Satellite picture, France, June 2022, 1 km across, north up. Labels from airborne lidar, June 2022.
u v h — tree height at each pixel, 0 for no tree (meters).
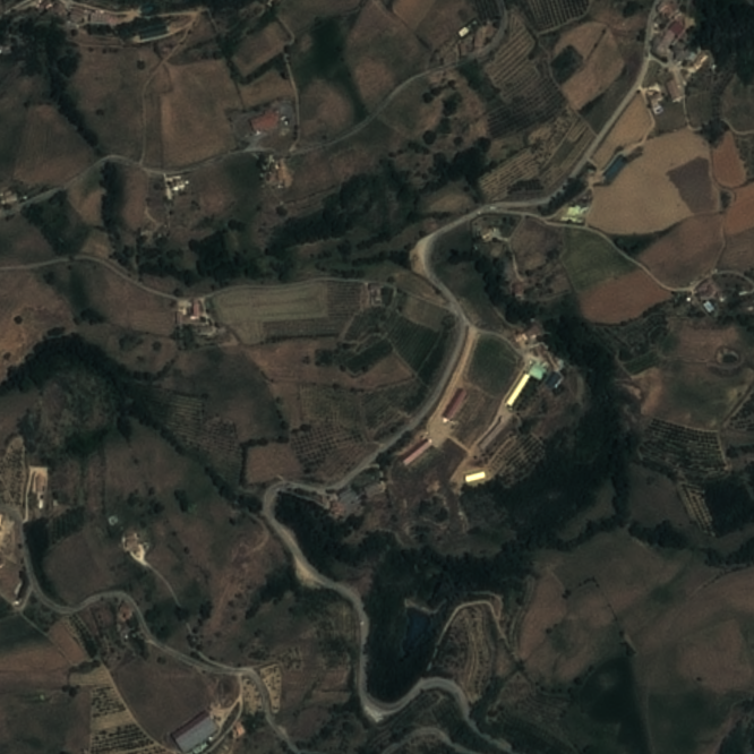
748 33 9
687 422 0
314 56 0
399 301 0
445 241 0
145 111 0
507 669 0
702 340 0
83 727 0
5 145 0
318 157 0
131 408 22
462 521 0
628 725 0
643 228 0
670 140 0
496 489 9
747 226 0
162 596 0
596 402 13
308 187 0
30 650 0
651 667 0
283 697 0
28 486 0
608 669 0
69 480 0
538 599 0
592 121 0
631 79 0
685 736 0
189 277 18
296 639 0
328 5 0
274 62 8
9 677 0
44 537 11
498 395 0
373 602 8
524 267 0
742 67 9
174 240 0
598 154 0
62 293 0
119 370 11
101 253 0
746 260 0
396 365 0
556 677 0
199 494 0
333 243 0
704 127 9
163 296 0
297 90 0
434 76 0
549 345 14
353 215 7
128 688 0
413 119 0
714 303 9
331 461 0
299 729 0
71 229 0
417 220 10
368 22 0
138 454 0
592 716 0
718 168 0
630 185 0
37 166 0
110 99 0
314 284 0
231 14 6
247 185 0
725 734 0
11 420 0
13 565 0
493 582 12
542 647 0
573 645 0
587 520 0
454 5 0
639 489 0
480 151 7
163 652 0
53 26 8
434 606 9
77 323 10
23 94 0
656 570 0
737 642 0
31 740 0
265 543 0
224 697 0
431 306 0
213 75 0
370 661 11
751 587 0
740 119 0
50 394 0
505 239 0
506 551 22
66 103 29
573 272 0
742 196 0
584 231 0
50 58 11
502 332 0
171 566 0
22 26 15
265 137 0
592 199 0
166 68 0
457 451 0
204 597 0
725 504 16
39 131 0
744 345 0
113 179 25
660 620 0
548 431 0
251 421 0
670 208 0
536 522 8
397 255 15
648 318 8
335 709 13
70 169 0
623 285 0
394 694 20
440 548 0
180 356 0
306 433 9
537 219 0
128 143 0
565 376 9
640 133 0
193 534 0
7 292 0
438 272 0
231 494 21
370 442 0
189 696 0
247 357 0
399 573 9
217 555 0
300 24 0
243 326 0
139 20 11
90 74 0
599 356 7
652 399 0
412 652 13
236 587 0
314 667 0
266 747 0
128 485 0
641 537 12
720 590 0
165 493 0
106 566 0
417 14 0
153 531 0
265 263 0
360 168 0
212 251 10
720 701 0
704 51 14
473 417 0
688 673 0
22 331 0
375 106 0
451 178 16
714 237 0
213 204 0
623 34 0
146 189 0
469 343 0
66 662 0
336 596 8
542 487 9
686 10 10
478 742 14
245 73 0
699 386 0
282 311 0
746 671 0
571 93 0
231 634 0
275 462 0
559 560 0
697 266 0
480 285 0
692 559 0
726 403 0
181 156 0
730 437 0
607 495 0
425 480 0
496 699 8
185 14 0
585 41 0
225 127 0
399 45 0
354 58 0
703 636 0
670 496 0
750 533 0
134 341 7
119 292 0
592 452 11
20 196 6
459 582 14
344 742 7
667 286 0
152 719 0
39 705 0
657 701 0
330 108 0
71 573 0
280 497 7
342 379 0
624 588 0
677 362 0
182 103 0
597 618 0
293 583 12
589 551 0
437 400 0
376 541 13
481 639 0
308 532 13
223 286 7
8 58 8
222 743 0
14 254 0
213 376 0
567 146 0
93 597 0
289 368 0
